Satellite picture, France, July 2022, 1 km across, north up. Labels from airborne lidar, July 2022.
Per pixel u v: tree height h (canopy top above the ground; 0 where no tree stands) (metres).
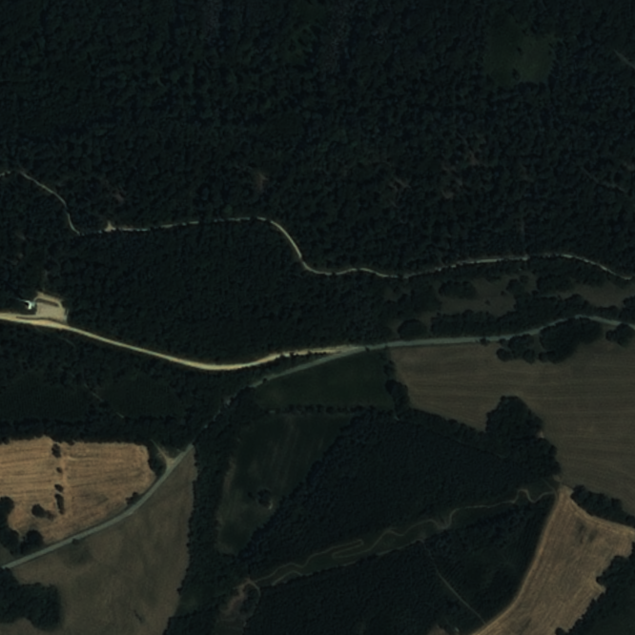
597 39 17
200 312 16
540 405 0
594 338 16
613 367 0
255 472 0
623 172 21
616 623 0
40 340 22
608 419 0
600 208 25
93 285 21
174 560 0
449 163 7
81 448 0
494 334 16
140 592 0
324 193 23
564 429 0
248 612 13
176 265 21
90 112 16
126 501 6
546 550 0
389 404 0
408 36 33
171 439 21
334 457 19
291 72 33
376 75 27
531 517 6
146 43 21
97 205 11
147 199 7
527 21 24
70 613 0
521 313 17
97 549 0
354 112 21
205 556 14
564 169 24
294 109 34
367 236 34
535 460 16
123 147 29
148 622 0
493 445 16
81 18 25
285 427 0
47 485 0
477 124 29
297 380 0
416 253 21
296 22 29
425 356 0
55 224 21
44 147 21
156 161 8
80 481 0
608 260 17
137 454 0
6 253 12
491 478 13
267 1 32
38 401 6
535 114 28
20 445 0
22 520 0
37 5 9
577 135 26
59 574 0
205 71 16
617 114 33
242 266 20
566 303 14
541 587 0
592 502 8
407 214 24
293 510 17
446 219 15
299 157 19
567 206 17
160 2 10
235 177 31
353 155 14
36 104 17
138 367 22
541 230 19
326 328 20
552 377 0
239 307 14
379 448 14
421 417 17
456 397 0
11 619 9
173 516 0
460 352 0
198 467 10
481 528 24
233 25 30
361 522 15
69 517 0
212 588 9
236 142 20
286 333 19
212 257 21
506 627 0
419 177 12
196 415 20
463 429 13
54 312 0
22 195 14
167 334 22
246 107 28
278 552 11
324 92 30
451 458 13
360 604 11
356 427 25
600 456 0
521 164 24
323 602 12
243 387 12
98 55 6
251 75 33
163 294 20
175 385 18
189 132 18
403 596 14
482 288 0
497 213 27
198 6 25
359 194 9
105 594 0
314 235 29
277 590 8
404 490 12
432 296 12
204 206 29
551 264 22
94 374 26
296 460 0
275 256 21
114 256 10
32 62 23
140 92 30
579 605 0
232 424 18
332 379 0
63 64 20
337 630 10
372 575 12
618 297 0
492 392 0
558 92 21
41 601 9
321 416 19
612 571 8
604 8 23
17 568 0
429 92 7
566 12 31
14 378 26
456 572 7
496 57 0
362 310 23
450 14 29
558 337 20
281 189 20
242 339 15
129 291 20
